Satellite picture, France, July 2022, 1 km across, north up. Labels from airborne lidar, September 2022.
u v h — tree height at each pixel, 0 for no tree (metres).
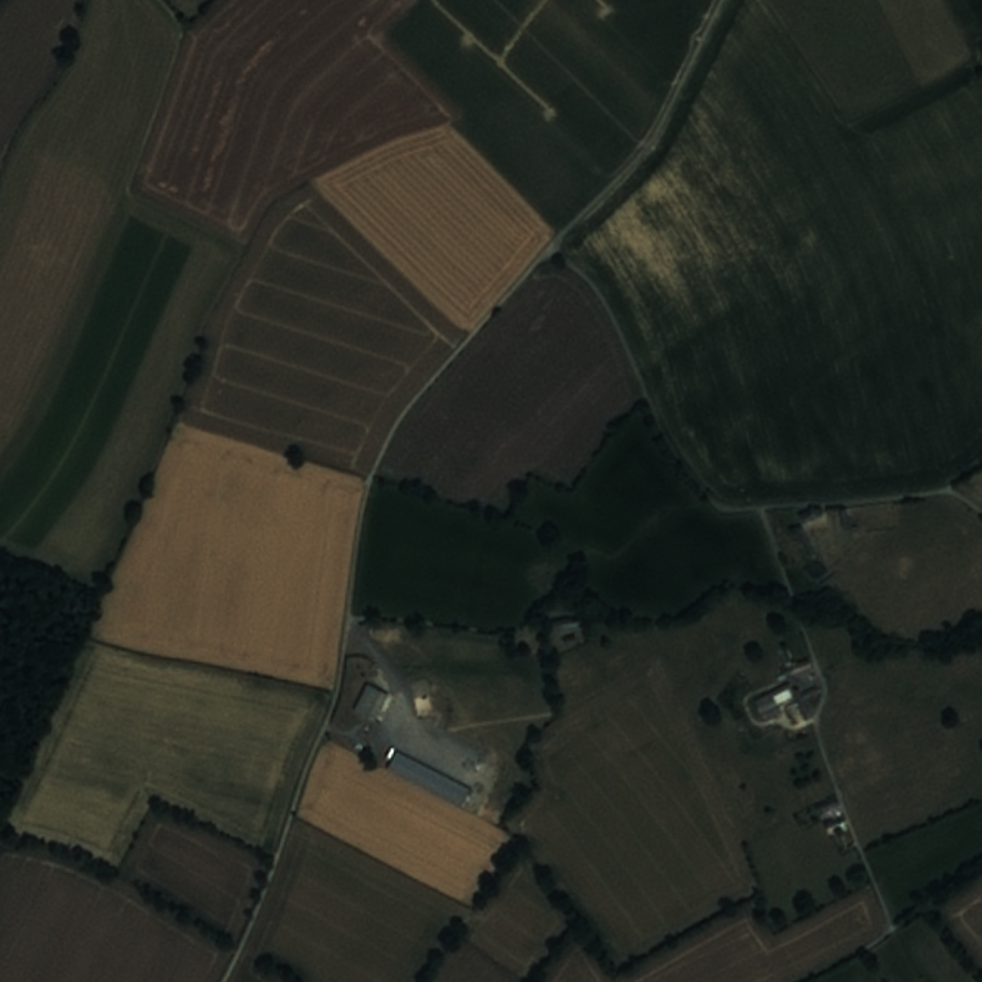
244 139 0
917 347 0
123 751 0
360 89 0
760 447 0
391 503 0
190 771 0
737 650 0
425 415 0
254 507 0
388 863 0
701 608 11
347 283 0
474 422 0
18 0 0
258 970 9
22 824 0
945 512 0
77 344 0
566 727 0
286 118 0
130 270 0
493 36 0
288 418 0
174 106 0
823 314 0
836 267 0
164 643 0
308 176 0
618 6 0
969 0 0
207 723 0
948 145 0
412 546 0
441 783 0
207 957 0
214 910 0
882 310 0
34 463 0
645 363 0
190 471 0
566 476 0
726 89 0
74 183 0
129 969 0
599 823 0
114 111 0
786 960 0
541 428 0
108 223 0
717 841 0
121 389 0
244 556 0
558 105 0
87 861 18
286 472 0
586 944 20
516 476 0
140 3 0
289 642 0
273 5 0
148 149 0
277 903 0
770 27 0
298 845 0
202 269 0
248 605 0
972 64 0
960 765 0
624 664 0
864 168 0
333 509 0
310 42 0
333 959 0
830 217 0
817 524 0
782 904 0
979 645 24
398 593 0
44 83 0
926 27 0
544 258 0
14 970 0
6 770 24
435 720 0
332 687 0
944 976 0
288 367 0
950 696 0
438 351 0
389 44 0
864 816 0
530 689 0
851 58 0
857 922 0
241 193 0
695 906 0
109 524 0
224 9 0
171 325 0
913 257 0
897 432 0
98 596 11
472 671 0
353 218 0
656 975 0
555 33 0
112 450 0
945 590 0
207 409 0
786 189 0
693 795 0
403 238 0
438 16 0
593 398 0
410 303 0
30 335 0
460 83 0
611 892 0
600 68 0
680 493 0
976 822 0
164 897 14
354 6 0
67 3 0
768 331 0
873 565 0
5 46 0
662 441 18
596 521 0
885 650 7
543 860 0
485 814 0
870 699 0
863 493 0
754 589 15
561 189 0
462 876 0
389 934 0
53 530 0
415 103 0
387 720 0
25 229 0
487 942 0
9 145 0
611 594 0
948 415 0
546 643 21
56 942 0
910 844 0
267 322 0
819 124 0
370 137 0
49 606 22
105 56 0
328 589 0
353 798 0
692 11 0
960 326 0
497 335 0
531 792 10
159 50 0
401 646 0
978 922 0
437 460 0
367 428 0
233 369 0
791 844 0
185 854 0
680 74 0
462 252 0
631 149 0
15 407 0
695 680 0
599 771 0
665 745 0
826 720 0
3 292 0
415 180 0
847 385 0
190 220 0
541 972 16
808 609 14
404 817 0
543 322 0
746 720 0
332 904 0
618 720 0
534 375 0
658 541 0
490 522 17
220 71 0
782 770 0
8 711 26
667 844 0
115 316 0
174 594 0
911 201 0
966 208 0
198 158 0
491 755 0
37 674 23
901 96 0
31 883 0
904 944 0
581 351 0
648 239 0
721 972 0
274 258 0
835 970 7
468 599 0
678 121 0
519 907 0
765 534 0
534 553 0
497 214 0
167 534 0
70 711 0
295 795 0
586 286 0
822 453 0
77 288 0
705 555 0
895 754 0
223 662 0
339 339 0
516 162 0
